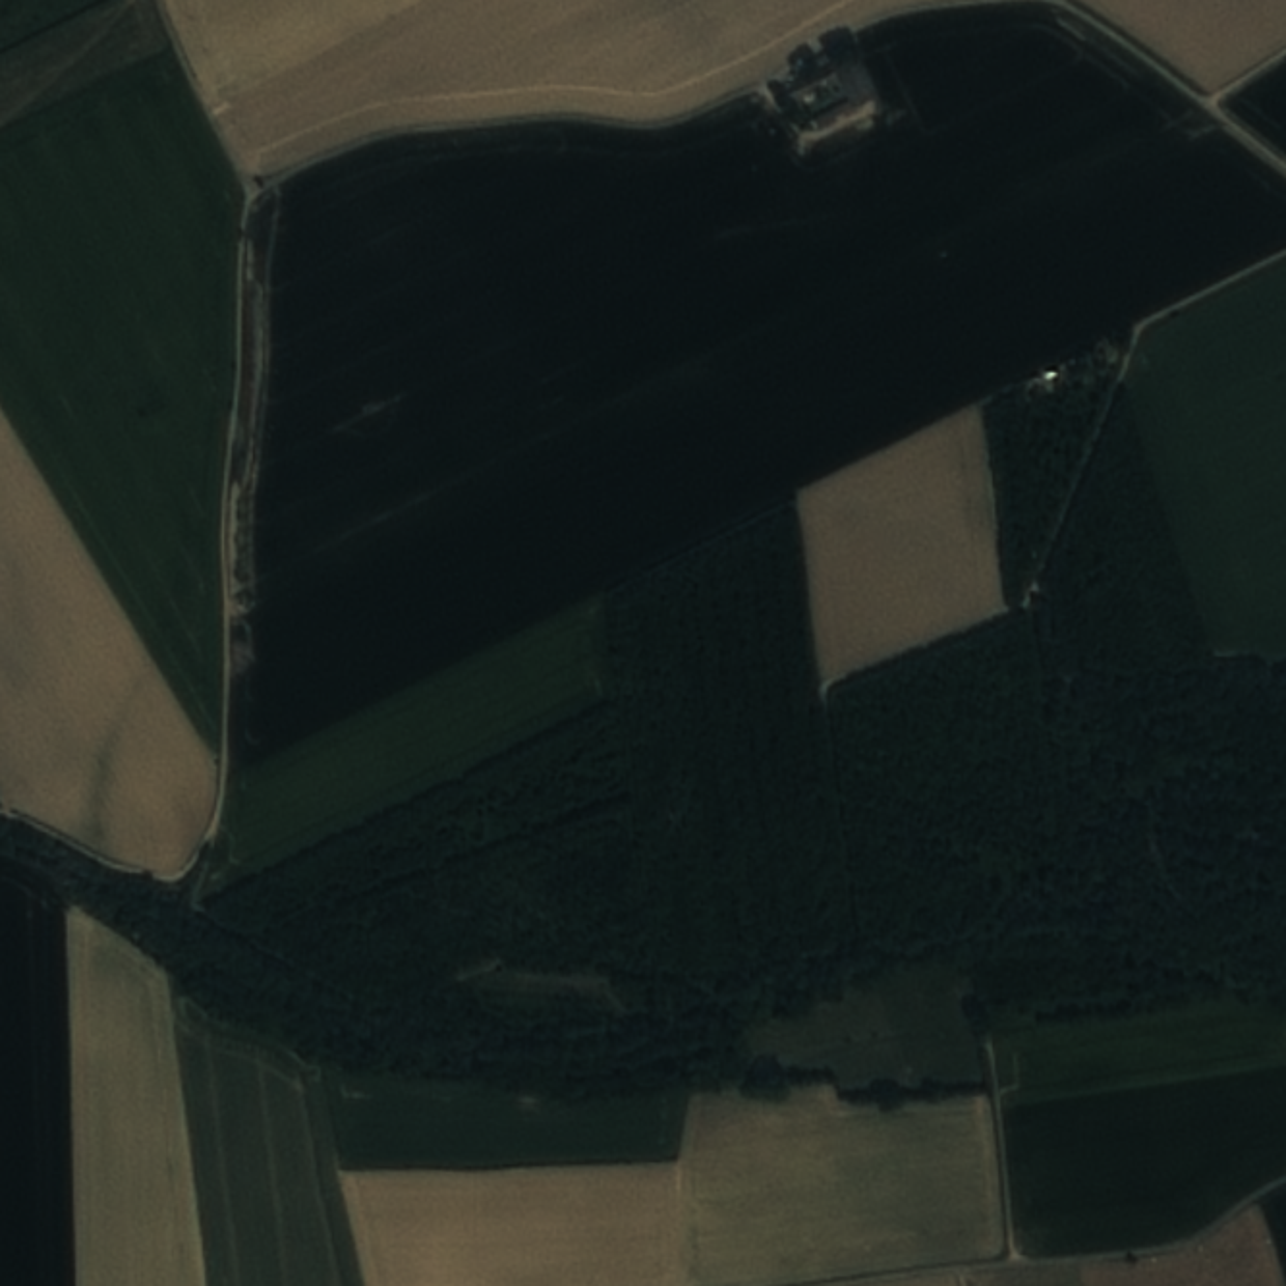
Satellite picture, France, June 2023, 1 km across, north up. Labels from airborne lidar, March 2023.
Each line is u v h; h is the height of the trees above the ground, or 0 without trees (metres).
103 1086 0
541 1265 0
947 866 11
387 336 0
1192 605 9
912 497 0
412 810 8
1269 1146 0
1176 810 17
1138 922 16
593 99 0
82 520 0
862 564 0
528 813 9
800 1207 0
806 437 0
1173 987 14
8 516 0
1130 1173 0
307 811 0
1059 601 14
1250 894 17
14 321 0
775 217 0
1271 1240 0
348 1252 0
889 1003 0
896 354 0
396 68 0
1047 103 0
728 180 0
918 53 0
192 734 0
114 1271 0
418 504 0
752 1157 0
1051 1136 0
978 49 0
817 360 0
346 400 0
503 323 0
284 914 9
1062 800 17
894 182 0
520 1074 21
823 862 13
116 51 0
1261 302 0
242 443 0
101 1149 0
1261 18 0
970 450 0
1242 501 0
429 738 0
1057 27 0
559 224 0
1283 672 15
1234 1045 0
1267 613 0
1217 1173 0
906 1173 0
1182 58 0
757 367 0
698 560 11
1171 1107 0
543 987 0
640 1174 0
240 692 0
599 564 0
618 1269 0
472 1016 8
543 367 0
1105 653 12
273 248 0
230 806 0
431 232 0
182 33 0
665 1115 0
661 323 0
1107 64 0
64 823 0
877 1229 0
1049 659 12
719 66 0
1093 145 0
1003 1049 0
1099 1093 0
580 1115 0
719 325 0
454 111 0
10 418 0
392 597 0
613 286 0
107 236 0
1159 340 0
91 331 0
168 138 0
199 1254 0
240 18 0
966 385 0
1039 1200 0
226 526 0
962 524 0
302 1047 15
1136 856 15
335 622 0
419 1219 0
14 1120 0
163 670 0
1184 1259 0
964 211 0
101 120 0
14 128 0
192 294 0
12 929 0
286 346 0
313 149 0
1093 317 0
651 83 0
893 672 9
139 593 0
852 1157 0
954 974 0
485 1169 0
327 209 0
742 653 15
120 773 0
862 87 0
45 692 0
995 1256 0
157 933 12
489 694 0
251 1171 0
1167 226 0
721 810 13
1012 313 0
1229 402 0
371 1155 0
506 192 0
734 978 18
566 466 0
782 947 13
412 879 12
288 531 0
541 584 0
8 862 0
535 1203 0
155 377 0
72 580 0
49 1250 0
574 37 0
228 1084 0
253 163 0
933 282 0
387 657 0
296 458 0
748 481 0
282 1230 0
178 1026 0
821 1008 0
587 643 0
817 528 0
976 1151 0
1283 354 0
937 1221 0
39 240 0
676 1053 7
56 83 0
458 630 0
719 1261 0
